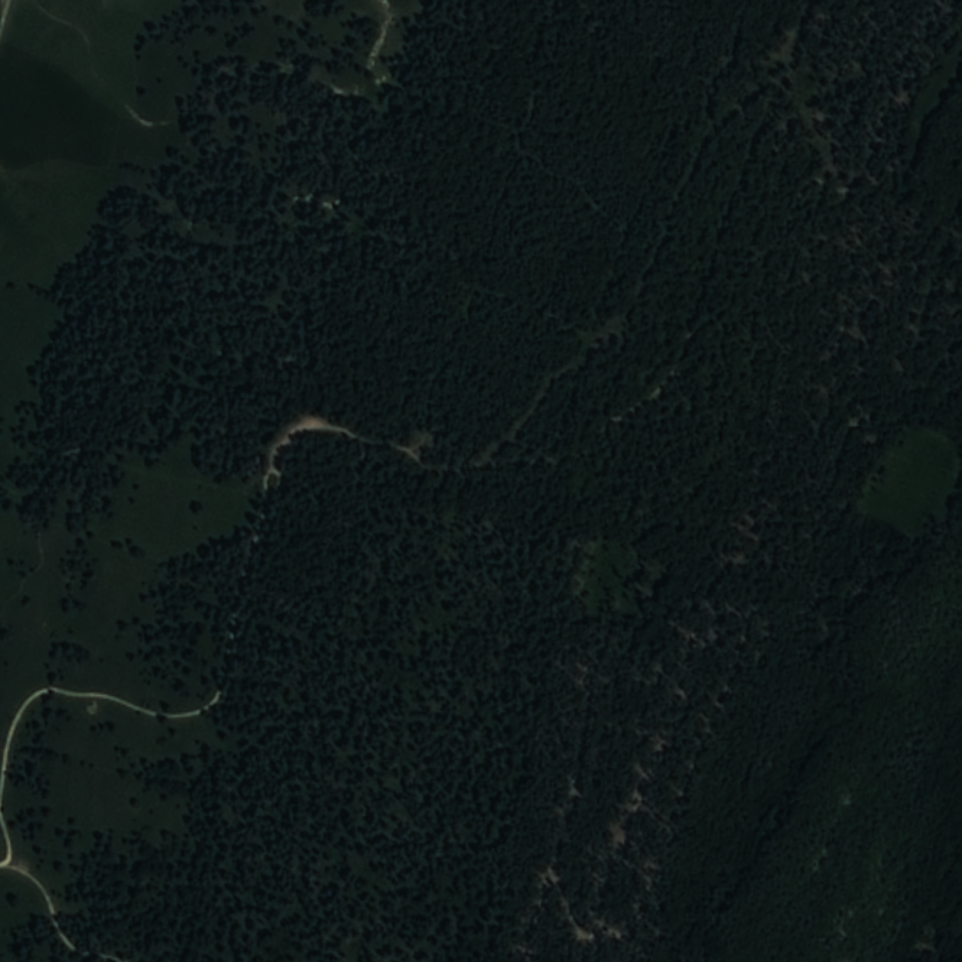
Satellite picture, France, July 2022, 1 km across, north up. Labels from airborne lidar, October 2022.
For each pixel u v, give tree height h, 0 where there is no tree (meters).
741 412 13
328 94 13
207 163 14
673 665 24
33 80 0
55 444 17
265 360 27
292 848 18
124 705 0
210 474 8
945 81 0
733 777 25
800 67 21
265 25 0
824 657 20
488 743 7
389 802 24
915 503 0
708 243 17
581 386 12
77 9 0
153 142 0
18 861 0
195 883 15
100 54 0
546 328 8
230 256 14
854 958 10
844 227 16
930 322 24
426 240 21
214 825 23
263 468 25
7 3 0
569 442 17
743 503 18
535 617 18
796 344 15
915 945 19
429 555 14
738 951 15
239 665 20
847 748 17
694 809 22
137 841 8
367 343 10
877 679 16
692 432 15
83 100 0
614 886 24
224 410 27
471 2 12
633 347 15
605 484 15
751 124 24
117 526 0
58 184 0
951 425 19
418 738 22
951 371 17
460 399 12
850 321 11
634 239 15
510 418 16
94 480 20
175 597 13
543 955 24
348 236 27
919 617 15
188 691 15
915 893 14
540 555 19
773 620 25
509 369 11
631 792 23
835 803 11
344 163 26
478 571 13
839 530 21
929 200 23
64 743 0
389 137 18
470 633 10
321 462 7
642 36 19
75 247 0
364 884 17
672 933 24
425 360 14
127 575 0
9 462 0
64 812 0
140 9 0
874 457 22
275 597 17
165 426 24
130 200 18
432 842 22
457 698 24
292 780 22
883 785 12
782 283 12
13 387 0
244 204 26
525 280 9
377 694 18
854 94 31
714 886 25
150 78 0
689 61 19
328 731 20
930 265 8
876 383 19
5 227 0
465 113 11
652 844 25
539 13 21
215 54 0
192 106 13
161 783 9
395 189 26
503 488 21
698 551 20
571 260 11
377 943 11
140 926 22
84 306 6
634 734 23
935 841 14
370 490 7
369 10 0
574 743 29
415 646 17
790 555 18
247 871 22
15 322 0
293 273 19
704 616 32
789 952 14
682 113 23
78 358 25
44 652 0
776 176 16
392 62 9
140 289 22
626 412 11
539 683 29
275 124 0
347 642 14
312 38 13
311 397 21
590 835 26
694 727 19
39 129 0
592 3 21
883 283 21
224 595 9
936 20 27
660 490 19
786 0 24
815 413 14
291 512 20
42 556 0
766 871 19
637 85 14
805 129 25
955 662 14
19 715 0
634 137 15
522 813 22
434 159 18
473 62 16
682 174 17
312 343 20
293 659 23
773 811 23
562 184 8
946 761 21
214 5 11
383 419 15
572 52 19
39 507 10
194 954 15
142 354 22
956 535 17
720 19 23
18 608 0
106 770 0
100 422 20
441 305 18
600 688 27
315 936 14
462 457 15
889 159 28
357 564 19
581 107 9
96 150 0
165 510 0
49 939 13
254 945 19
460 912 17
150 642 20
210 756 19
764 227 17
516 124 10
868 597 10
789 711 27
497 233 12
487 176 11
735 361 21
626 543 23
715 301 21
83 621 0
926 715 13
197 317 28
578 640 24
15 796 0
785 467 19
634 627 17
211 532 0
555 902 26
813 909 14
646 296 13
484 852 26
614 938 28
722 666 25
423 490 17
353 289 22
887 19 37
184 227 0
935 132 26
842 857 17
